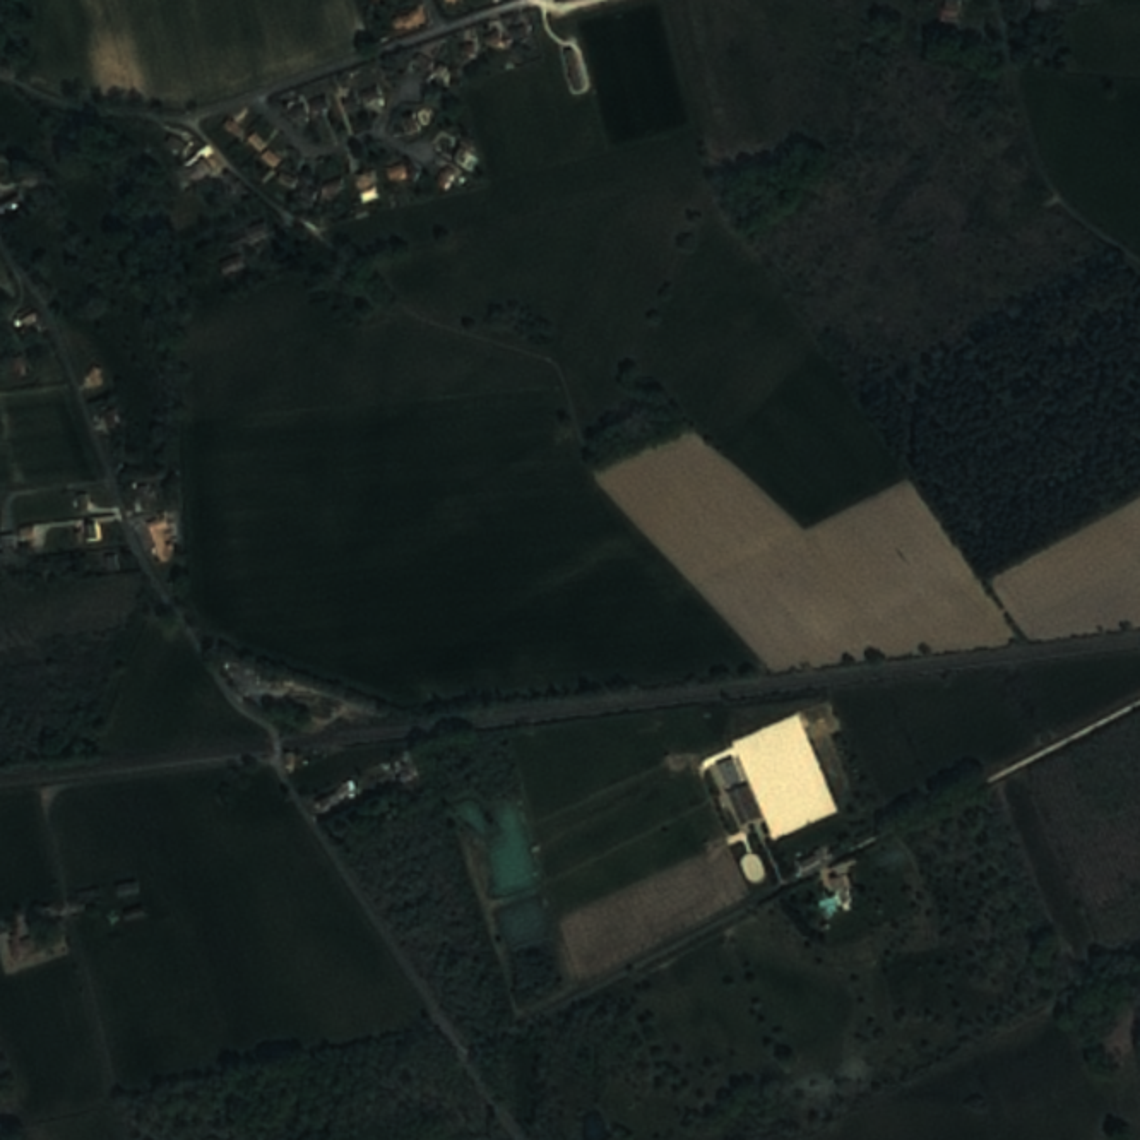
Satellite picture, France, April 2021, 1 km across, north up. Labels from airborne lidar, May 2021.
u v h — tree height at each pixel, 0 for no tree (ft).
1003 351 60
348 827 35
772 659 0
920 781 0
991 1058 0
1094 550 0
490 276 0
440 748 37
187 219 0
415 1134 60
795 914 22
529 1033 23
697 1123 33
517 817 0
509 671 0
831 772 0
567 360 0
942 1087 0
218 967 0
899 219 0
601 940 0
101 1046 0
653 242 0
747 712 0
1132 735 38
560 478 0
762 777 0
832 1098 0
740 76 0
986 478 64
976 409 64
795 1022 0
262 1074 57
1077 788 40
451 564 0
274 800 0
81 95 48
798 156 55
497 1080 51
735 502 0
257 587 0
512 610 0
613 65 0
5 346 52
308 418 0
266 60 0
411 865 28
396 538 0
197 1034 0
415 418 0
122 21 0
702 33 0
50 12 0
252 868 0
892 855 0
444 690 0
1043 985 59
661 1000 0
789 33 0
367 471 0
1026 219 0
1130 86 0
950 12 0
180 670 0
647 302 0
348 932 0
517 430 0
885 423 56
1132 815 32
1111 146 0
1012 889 45
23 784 0
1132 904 45
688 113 0
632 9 0
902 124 0
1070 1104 0
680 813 0
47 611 0
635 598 0
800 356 0
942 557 0
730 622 0
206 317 0
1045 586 0
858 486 0
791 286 20
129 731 0
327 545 0
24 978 0
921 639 0
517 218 0
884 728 0
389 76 19
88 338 0
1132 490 47
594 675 0
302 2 0
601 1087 28
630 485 0
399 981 0
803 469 0
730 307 0
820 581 0
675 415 47
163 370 21
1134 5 0
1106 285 61
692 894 0
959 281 0
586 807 0
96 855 0
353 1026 0
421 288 0
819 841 0
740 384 0
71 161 88
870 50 24
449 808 36
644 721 0
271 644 0
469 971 25
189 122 0
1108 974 74
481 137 0
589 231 0
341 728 0
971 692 0
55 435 0
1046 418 66
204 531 0
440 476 0
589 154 0
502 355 0
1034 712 0
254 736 0
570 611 0
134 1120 28
